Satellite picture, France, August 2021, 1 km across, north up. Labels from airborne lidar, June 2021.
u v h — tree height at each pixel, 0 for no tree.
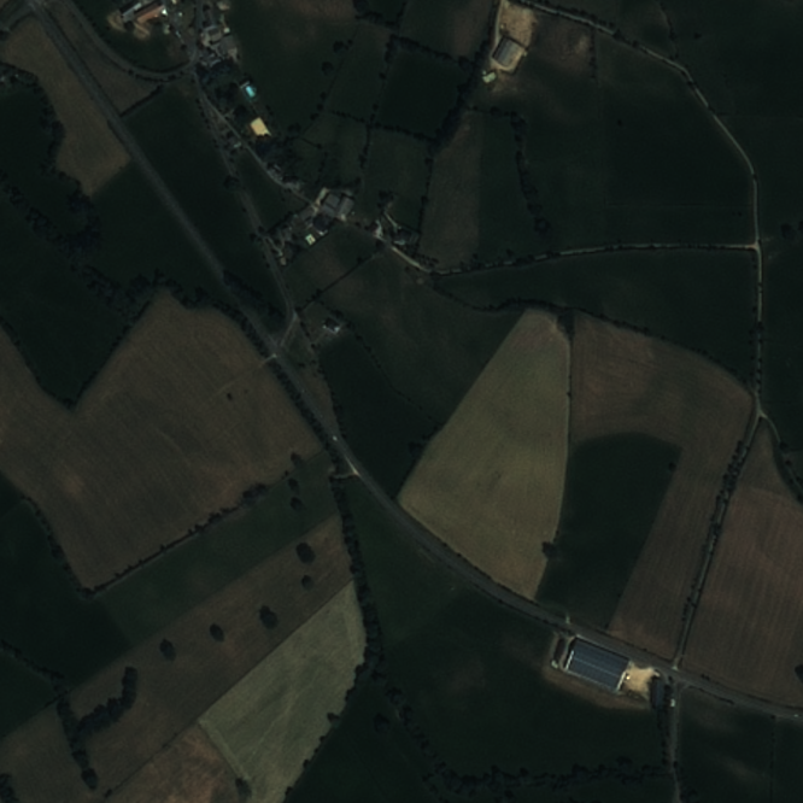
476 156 0
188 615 0
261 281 0
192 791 0
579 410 0
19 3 0
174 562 0
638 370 0
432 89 0
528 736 0
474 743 0
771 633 0
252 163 0
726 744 0
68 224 0
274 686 0
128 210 0
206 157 0
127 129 0
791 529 0
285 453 0
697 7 0
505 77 0
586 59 0
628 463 0
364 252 0
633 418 0
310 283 0
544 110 0
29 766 0
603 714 0
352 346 0
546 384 0
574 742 0
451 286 0
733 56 0
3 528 0
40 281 0
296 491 14
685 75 10
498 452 0
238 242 0
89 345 0
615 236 0
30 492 0
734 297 0
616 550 0
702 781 0
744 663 0
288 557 0
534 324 0
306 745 0
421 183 0
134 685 14
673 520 0
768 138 0
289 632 0
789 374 0
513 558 0
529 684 0
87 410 0
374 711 0
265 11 0
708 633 0
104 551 0
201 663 0
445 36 0
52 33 0
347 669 0
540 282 0
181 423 0
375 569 0
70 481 0
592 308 0
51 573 0
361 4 15
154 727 0
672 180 0
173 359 0
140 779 0
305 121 0
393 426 0
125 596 0
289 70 0
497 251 0
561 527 0
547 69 0
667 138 0
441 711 0
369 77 0
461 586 0
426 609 0
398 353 0
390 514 0
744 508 0
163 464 0
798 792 0
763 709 0
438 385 0
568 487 0
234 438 0
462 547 0
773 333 0
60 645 0
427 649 0
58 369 0
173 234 0
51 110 8
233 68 21
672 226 0
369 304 0
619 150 0
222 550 0
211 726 0
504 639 0
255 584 0
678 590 0
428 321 0
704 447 0
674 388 0
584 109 0
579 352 0
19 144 0
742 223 0
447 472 0
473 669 0
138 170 0
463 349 0
